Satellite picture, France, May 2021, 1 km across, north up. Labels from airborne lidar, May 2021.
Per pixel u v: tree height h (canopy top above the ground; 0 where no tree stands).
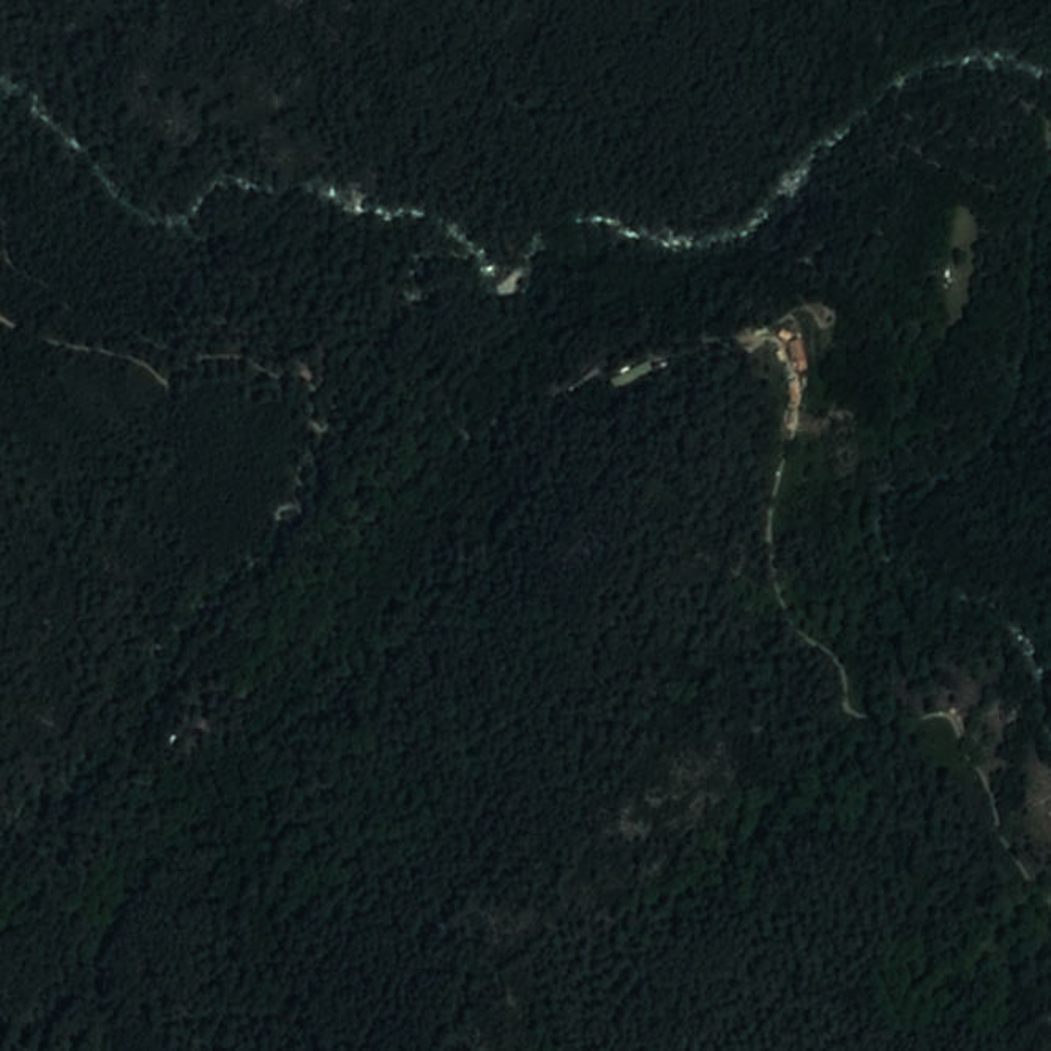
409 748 17
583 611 24
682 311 17
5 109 27
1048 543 12
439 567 19
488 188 22
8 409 13
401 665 30
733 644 17
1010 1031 7
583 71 26
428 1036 25
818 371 7
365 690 26
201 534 12
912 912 26
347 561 17
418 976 24
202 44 17
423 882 24
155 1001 28
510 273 12
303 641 19
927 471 21
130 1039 13
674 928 12
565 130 25
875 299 14
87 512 7
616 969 26
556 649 22
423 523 24
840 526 19
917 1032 19
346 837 19
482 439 15
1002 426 23
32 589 8
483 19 20
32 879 25
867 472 14
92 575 10
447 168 31
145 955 30
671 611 23
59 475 15
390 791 18
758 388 9
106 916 23
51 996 28
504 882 24
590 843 25
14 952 33
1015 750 13
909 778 26
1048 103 12
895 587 8
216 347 20
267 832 17
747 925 28
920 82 12
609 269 26
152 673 16
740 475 19
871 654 20
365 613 27
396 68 23
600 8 21
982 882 7
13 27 24
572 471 22
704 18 21
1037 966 25
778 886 27
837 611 23
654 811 6
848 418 7
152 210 27
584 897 6
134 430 15
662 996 28
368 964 28
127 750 30
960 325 7
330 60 20
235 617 22
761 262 19
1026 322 16
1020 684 25
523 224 24
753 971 17
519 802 22
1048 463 20
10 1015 34
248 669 12
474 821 26
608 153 24
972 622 18
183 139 11
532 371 16
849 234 16
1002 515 11
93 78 8
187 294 20
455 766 25
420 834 22
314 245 14
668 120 27
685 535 27
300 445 12
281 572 21
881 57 15
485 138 28
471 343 25
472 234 11
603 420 23
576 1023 15
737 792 20
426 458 14
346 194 10
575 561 23
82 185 27
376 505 14
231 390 11
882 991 27
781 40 21
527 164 24
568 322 19
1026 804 16
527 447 30
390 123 29
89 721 26
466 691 26
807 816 17
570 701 21
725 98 25
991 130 12
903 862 17
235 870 25
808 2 18
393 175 24
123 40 25
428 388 14
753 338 0
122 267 17
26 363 13
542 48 21
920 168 15
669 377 25
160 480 9
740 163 27
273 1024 34
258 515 12
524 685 25
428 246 22
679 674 6
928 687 16
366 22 15
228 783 26
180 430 13
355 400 17
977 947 30
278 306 24
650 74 26
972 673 11
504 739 27
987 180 14
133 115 24
